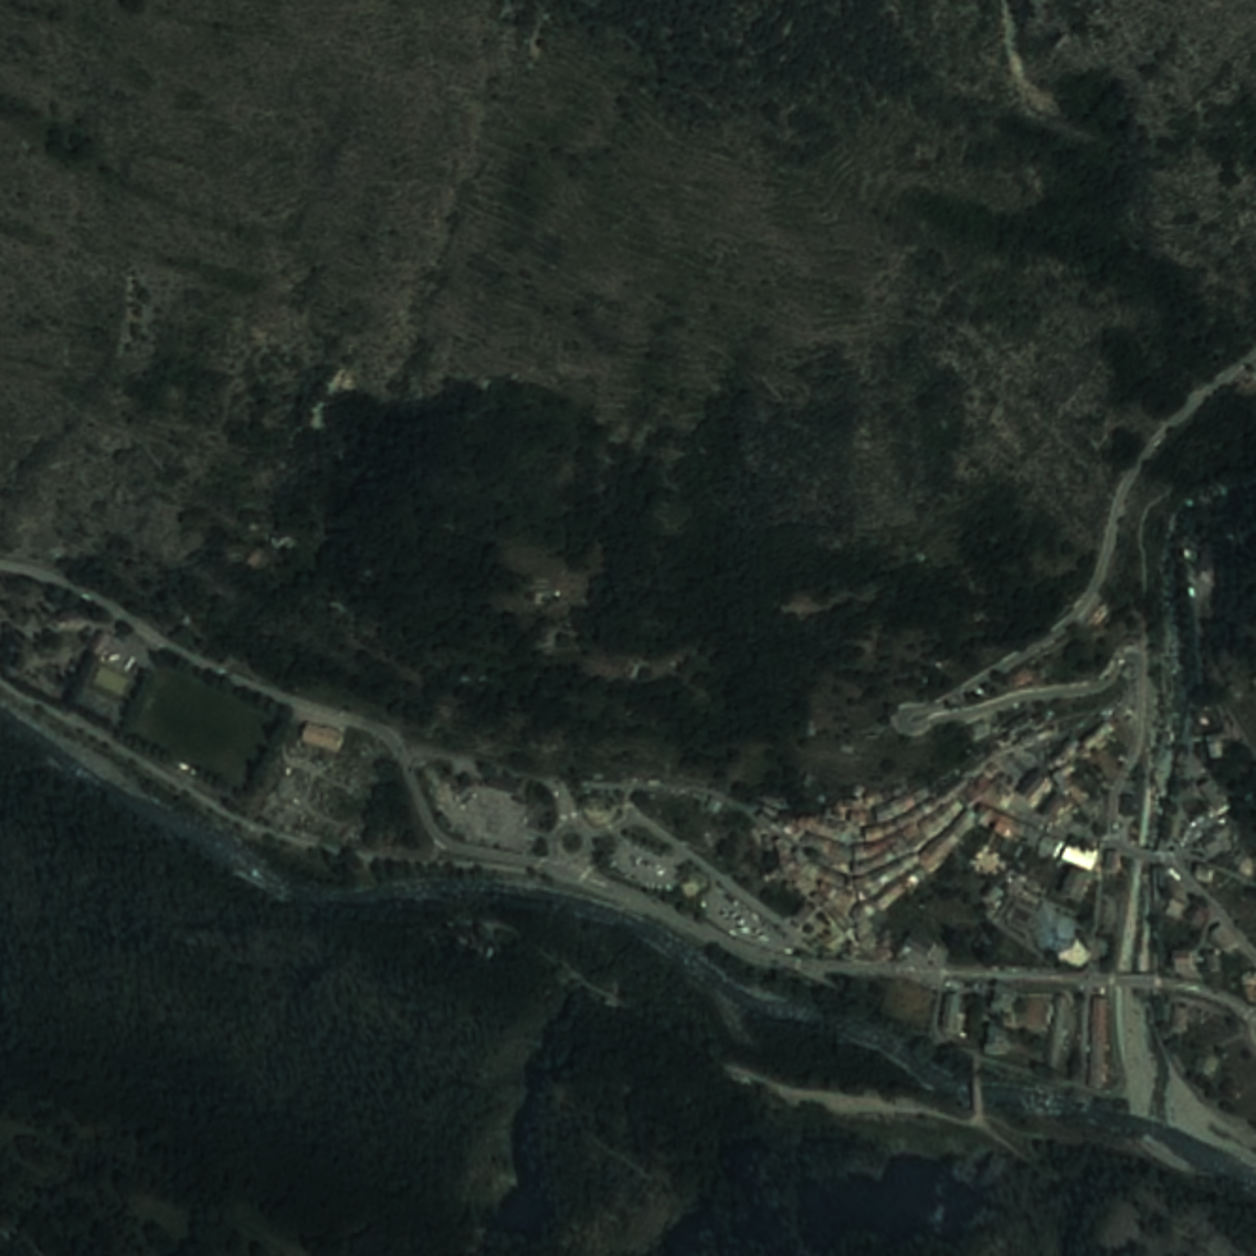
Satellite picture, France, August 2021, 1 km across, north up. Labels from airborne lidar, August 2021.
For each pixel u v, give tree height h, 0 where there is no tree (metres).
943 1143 0
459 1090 14
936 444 6
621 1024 16
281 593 9
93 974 8
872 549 8
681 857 0
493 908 11
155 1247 14
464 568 15
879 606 13
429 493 12
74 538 6
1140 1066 0
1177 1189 14
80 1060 22
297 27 0
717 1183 22
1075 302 7
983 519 11
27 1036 15
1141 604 9
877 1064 10
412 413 17
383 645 8
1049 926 0
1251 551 8
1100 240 12
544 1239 22
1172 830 8
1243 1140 0
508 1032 11
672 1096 14
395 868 13
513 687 11
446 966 16
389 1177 14
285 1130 14
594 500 12
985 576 13
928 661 13
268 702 13
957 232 6
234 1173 16
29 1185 7
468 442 9
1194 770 0
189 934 7
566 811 0
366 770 0
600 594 12
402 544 14
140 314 10
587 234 0
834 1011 18
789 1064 10
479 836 0
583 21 11
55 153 17
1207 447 9
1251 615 10
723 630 15
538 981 8
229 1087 10
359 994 7
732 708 18
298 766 0
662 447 9
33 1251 17
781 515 8
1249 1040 0
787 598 9
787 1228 13
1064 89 18
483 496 9
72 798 9
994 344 13
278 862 6
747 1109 15
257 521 9
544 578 0
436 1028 16
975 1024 11
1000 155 6
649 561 11
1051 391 6
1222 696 16
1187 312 11
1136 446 18
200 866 10
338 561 14
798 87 8
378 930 15
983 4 6
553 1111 7
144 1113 15
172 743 0
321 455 12
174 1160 13
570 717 9
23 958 9
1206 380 14
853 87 6
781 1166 6
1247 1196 10
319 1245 15
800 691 13
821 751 0
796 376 5
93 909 6
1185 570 11
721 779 9
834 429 8
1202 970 8
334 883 10
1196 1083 9
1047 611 14
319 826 0
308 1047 13
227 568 12
